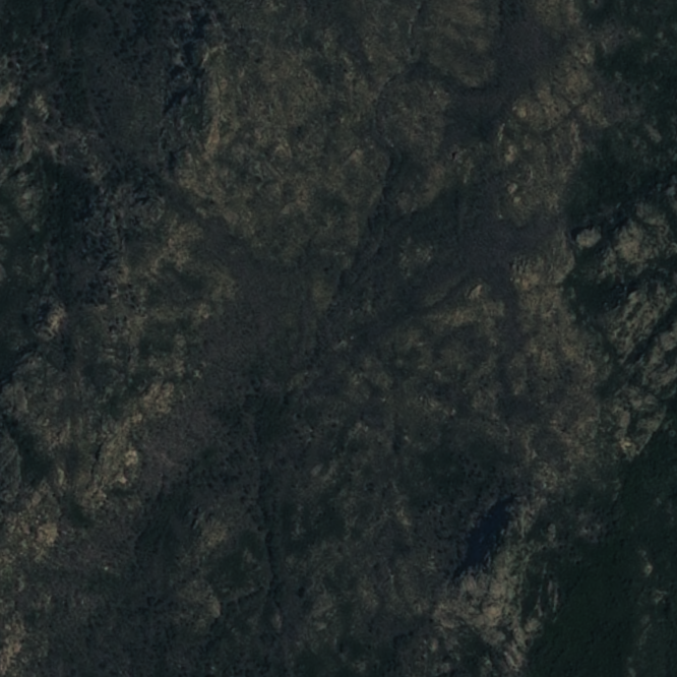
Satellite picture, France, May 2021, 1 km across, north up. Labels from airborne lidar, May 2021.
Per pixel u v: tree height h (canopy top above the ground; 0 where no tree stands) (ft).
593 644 35
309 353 55
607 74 29
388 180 52
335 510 28
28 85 20
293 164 0
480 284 0
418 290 56
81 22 24
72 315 42
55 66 38
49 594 42
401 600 0
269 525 74
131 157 58
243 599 52
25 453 19
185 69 26
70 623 58
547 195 0
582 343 0
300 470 42
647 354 30
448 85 36
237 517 48
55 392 0
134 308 28
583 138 26
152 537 66
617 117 42
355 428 0
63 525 57
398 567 0
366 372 34
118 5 53
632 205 19
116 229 46
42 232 31
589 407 0
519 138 0
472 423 0
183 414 52
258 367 42
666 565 35
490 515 48
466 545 51
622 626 40
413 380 0
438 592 38
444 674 34
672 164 38
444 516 38
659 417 20
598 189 25
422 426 0
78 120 81
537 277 0
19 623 41
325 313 60
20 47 30
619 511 52
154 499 51
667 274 20
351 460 25
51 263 49
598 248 27
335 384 45
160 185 52
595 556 21
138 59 44
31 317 47
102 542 50
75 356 37
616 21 41
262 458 60
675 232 17
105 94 47
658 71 19
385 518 23
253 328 50
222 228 45
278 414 78
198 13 28
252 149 0
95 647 72
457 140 47
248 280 42
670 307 23
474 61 38
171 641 38
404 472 0
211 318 43
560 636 42
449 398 54
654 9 35
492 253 54
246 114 47
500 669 61
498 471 33
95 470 0
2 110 27
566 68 0
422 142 0
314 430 35
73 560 72
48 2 61
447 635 0
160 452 49
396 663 42
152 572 62
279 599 64
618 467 21
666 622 24
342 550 39
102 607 71
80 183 30
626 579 35
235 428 57
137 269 0
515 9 54
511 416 37
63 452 0
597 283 20
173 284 35
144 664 45
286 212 0
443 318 0
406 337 0
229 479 53
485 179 42
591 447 0
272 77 0
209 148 0
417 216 62
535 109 0
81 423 0
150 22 59
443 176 0
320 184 0
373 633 37
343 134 0
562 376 37
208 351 52
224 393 45
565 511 43
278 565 64
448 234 41
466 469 35
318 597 0
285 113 0
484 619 0
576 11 0
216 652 67
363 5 0
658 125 24
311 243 47
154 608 38
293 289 36
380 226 60
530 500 42
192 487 69
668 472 22
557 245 0
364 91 0
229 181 0
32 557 36
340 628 0
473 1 0
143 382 27
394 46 0
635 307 38
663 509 22
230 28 45
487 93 59
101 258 40
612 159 17
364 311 21
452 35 0
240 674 40
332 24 34
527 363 35
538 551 32
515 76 47
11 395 0
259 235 38
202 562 19
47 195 37
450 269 49
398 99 0
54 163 23
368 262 70
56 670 82
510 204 0
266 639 63
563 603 39
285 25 0
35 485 29
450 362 0
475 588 0
